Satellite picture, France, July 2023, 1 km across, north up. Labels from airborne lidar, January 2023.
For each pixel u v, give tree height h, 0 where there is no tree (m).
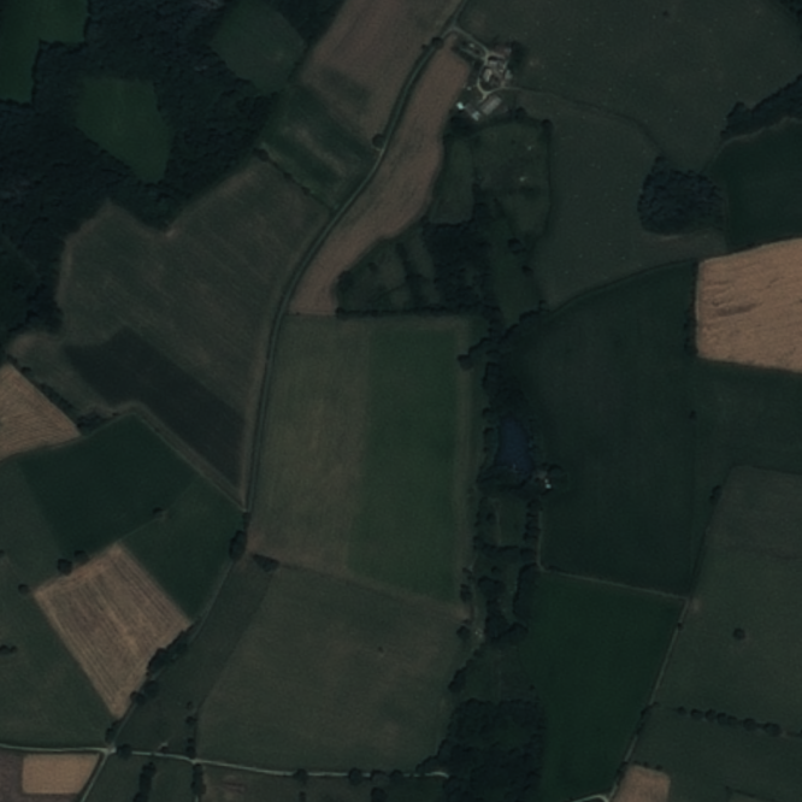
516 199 0
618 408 0
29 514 0
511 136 0
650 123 0
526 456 0
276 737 0
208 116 18
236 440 0
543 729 12
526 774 9
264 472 0
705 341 0
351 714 0
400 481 0
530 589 23
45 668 0
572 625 0
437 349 0
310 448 0
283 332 0
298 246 0
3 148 18
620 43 0
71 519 0
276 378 0
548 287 0
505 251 0
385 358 0
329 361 0
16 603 0
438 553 0
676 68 0
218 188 0
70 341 0
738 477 0
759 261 0
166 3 26
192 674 0
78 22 0
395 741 0
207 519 0
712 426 0
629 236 0
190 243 0
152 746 0
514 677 0
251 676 0
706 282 0
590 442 0
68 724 0
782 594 0
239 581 0
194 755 13
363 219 0
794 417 0
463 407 0
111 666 0
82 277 0
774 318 0
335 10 13
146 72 19
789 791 0
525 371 0
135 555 0
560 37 0
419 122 0
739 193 0
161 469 0
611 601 0
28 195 19
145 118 0
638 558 0
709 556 0
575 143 0
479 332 0
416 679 0
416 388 0
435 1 0
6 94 0
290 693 0
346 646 0
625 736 0
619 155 0
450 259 14
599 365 0
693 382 0
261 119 12
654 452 0
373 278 0
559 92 0
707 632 0
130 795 0
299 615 0
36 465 0
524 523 0
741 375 0
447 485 0
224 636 0
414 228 0
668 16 10
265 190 0
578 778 0
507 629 17
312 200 0
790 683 0
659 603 0
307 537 0
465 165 0
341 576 0
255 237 0
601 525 0
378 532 0
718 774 0
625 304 0
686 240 0
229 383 0
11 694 0
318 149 0
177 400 0
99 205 16
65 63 20
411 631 0
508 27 0
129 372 0
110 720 0
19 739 0
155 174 0
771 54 0
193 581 0
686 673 0
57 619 0
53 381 0
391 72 0
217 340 0
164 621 0
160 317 0
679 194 22
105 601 0
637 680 0
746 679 0
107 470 0
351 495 0
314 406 0
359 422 0
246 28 0
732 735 0
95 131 0
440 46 15
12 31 0
